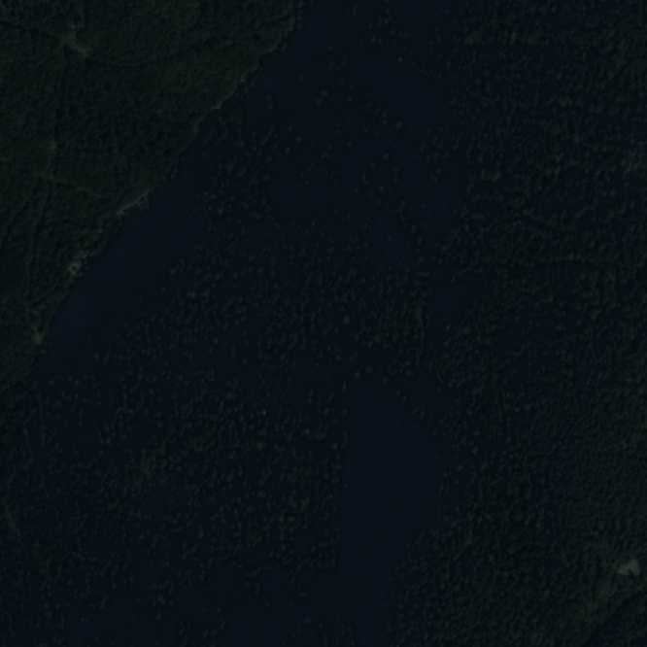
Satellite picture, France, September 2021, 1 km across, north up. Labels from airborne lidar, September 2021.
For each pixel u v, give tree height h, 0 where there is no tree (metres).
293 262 10
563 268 12
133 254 12
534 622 18
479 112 16
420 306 9
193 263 34
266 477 28
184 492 27
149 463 33
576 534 23
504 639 17
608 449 21
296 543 14
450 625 21
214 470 14
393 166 18
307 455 27
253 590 20
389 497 30
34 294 21
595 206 18
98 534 18
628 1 15
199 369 18
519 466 22
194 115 21
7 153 18
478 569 22
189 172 18
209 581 21
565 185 22
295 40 19
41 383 20
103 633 7
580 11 27
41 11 17
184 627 16
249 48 23
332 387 15
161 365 37
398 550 19
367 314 31
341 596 15
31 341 14
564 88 26
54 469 20
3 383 18
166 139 20
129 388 22
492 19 30
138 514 27
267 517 23
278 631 9
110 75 18
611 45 24
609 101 13
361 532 22
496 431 12
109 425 32
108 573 21
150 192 25
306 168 10
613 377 26
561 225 20
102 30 18
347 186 19
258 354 20
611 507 24
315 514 14
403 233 20
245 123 7
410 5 24
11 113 31
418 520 19
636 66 28
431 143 43
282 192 11
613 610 28
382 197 24
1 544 13
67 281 24
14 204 22
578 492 22
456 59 14
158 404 11
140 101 18
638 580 16
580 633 19
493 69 17
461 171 14
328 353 25
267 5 34
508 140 25
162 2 24
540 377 28
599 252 17
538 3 26
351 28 10
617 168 23
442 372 22
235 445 35
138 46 24
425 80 17
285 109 11
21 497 19
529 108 22
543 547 10
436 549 25
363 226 41
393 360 25
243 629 17
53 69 31
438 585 19
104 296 8
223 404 11
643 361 19
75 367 30
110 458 11
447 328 8
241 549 19
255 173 26
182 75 15
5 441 19
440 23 19
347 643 28
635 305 23
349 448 15
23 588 11
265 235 15
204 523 6
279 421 11
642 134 26
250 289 37
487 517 14
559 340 26
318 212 18
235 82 16
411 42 21
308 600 14
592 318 29
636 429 24
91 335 26
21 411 17
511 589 17
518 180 11
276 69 13
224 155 21
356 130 8
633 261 30
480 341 14
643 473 28
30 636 11
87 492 7
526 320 14
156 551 12
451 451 38
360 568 30
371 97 28
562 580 28
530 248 12
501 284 18
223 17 20
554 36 24
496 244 26
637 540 28
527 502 8
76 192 21
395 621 28
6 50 27
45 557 20
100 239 23
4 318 17
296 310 36
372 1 33
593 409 25
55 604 11
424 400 21
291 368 32
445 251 34
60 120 29
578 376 25
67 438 18
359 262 24
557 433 25
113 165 26
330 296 9
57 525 21
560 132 32
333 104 27
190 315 35
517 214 18
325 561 25
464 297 11
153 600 23
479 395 9
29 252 18
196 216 20
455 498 14
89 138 18
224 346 8
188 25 17
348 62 19
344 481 13
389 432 11
